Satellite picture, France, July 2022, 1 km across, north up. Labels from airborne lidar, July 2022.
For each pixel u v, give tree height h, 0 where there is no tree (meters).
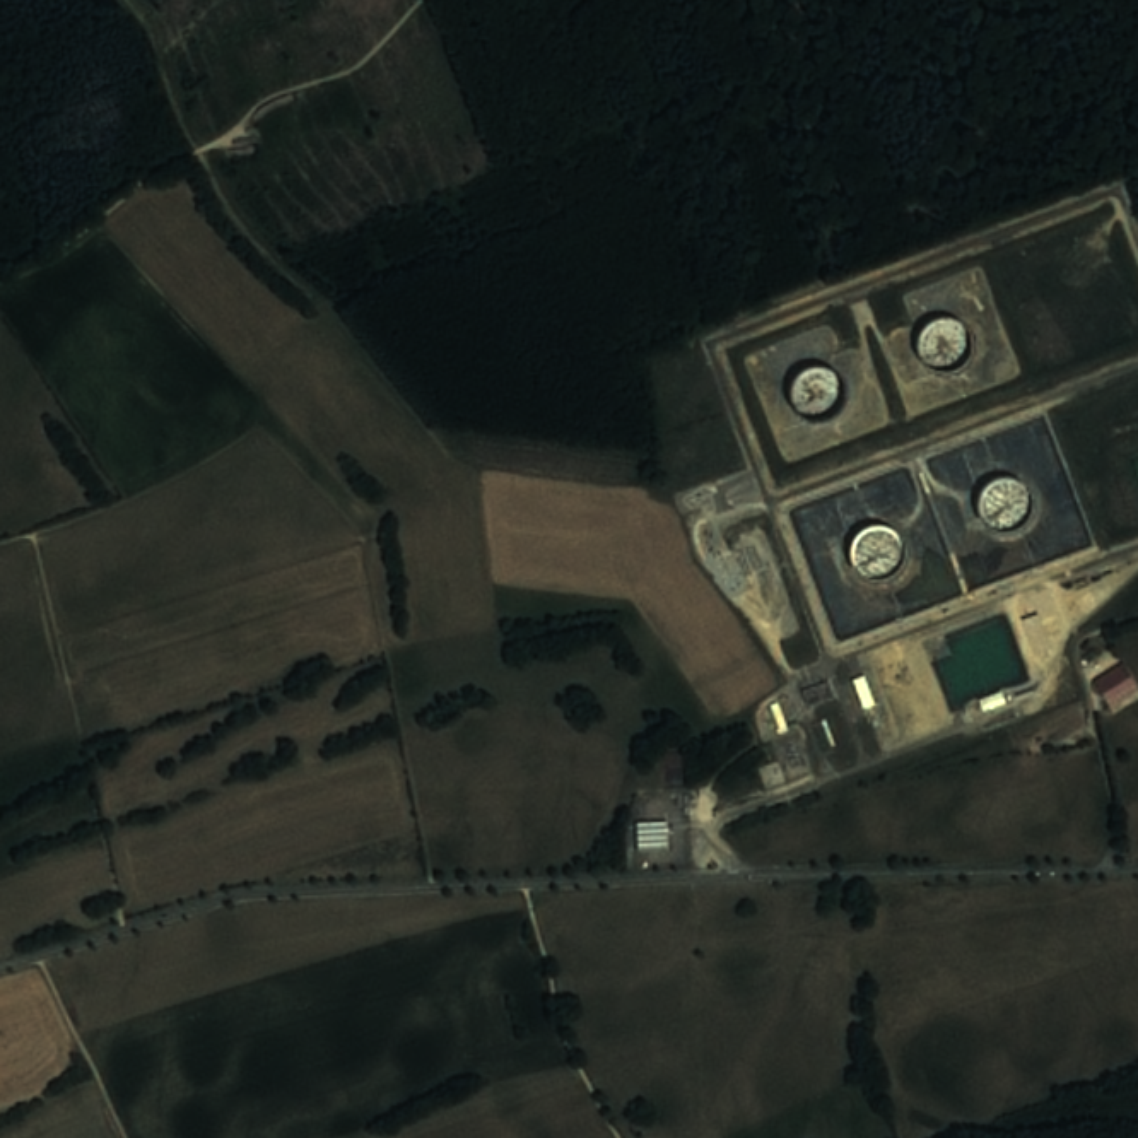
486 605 0
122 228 0
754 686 0
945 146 29
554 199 8
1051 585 0
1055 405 0
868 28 28
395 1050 0
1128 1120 8
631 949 0
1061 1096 17
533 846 0
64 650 0
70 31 20
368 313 23
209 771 0
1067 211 0
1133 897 0
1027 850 0
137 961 0
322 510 0
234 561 0
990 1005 0
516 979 0
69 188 25
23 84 8
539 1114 0
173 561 0
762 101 30
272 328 0
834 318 0
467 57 18
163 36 0
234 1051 0
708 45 19
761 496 0
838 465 0
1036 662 0
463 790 0
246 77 0
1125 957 0
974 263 0
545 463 0
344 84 0
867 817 0
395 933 0
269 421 0
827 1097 0
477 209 8
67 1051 0
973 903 0
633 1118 13
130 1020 0
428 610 0
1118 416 0
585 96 22
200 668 0
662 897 0
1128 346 0
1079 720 0
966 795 0
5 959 0
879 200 30
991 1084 0
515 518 0
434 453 0
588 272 15
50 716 0
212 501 0
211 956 0
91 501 14
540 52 16
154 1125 0
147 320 0
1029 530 0
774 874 0
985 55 27
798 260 7
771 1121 0
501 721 0
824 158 30
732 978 0
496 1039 0
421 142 0
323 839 0
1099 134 28
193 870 0
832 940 0
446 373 24
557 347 19
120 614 0
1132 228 0
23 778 0
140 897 0
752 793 0
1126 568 0
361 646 0
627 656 14
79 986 0
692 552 0
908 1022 0
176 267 0
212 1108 0
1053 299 0
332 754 12
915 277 0
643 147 28
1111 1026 0
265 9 0
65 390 0
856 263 20
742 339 0
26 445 0
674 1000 0
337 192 0
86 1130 0
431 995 0
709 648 0
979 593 0
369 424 0
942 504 0
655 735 16
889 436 0
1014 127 7
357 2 0
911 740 0
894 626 0
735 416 0
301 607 0
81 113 19
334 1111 0
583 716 18
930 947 0
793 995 0
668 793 0
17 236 7
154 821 12
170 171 17
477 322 24
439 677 0
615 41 21
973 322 0
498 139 18
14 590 0
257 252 25
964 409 0
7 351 0
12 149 14
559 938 0
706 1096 0
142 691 0
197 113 7
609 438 20
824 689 0
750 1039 0
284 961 0
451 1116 0
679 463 0
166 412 0
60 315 0
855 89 29
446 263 18
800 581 0
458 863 0
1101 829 0
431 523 0
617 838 14
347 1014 0
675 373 0
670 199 16
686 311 19
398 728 11
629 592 0
